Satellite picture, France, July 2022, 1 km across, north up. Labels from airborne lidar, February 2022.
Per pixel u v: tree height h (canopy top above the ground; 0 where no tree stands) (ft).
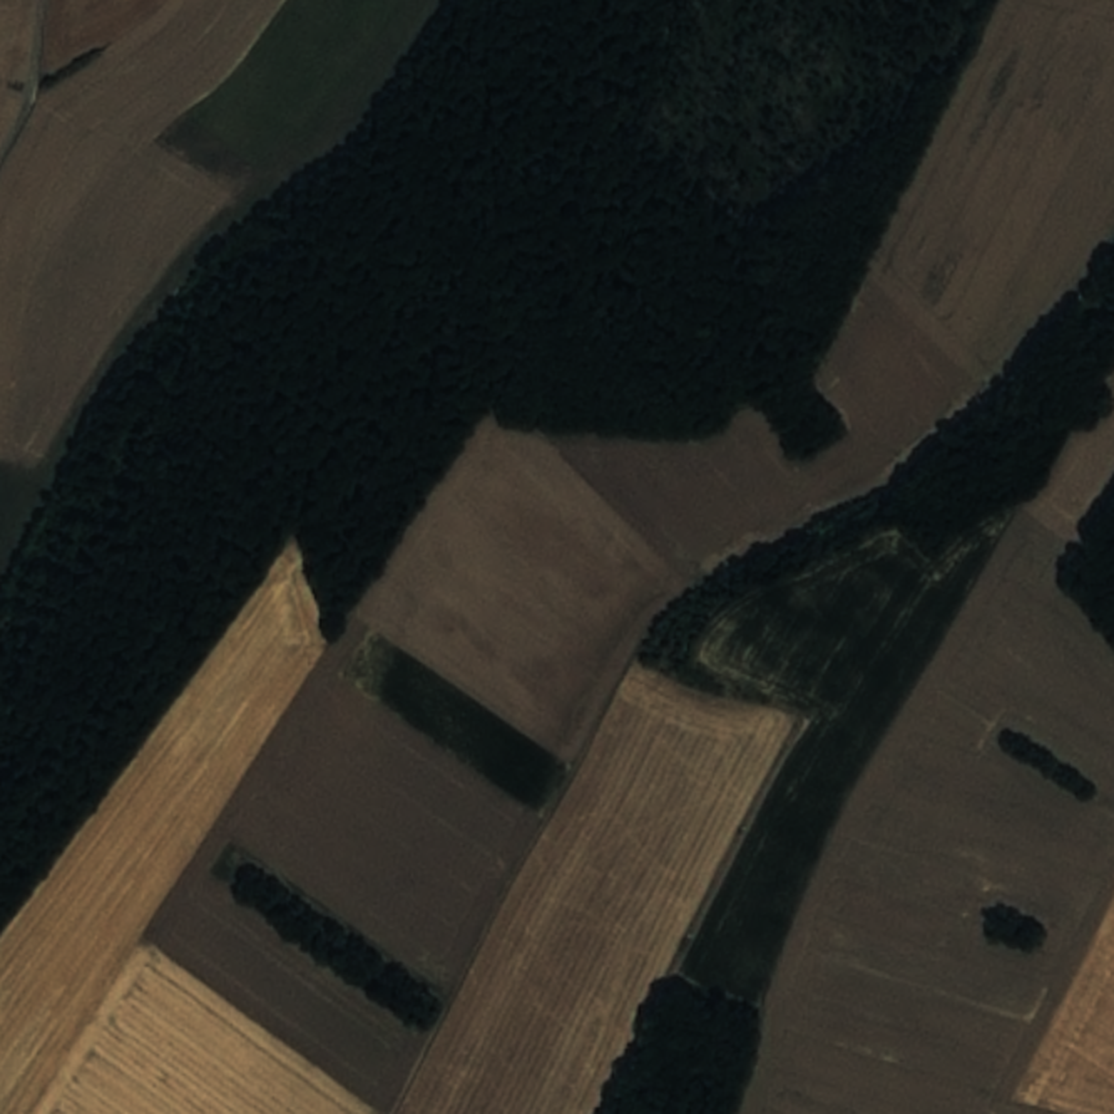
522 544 0
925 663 0
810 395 63
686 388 69
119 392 62
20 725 55
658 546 0
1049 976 0
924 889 0
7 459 0
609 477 0
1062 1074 0
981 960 0
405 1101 0
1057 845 0
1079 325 61
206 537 87
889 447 0
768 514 0
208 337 60
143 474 66
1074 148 0
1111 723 0
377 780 0
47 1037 0
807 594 0
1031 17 0
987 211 0
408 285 80
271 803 0
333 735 0
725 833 0
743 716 0
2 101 0
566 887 0
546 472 0
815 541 52
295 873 0
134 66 0
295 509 80
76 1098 0
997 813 0
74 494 47
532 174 92
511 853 0
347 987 0
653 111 57
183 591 89
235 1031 0
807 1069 0
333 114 0
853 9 43
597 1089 0
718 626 0
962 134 0
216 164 0
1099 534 76
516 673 0
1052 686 0
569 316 83
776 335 77
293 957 0
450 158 72
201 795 0
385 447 90
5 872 66
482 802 0
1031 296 0
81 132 0
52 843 62
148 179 0
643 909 0
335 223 81
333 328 89
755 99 36
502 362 87
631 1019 0
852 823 0
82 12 0
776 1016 0
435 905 0
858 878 0
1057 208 0
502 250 88
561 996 0
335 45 0
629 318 78
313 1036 0
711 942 0
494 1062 0
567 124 73
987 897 0
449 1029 0
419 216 80
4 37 0
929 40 55
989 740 0
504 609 0
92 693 75
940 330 0
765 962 0
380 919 0
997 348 0
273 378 77
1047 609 0
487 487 0
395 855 0
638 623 0
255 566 68
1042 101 0
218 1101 0
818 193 79
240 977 0
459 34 72
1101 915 0
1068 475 0
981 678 0
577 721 0
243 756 0
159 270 0
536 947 0
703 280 81
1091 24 0
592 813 0
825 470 0
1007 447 81
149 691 75
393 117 70
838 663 0
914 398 0
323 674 0
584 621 0
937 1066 0
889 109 45
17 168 0
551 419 70
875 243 58
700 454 0
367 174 77
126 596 86
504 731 0
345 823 0
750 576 52
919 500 60
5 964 0
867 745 0
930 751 0
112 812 0
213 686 0
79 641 65
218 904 0
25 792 86
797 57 31
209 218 0
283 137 0
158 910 0
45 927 0
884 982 0
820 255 71
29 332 0
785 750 0
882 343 0
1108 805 0
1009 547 0
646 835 0
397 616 0
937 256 0
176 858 0
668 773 0
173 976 0
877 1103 0
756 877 0
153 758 0
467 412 81
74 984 0
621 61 69
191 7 0
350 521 60
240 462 78
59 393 0
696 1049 81
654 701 0
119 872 0
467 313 84
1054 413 79
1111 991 0
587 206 75
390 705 0
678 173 73
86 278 0
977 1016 0
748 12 37
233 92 0
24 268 0
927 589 0
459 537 0
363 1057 0
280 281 74
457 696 0
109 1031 0
